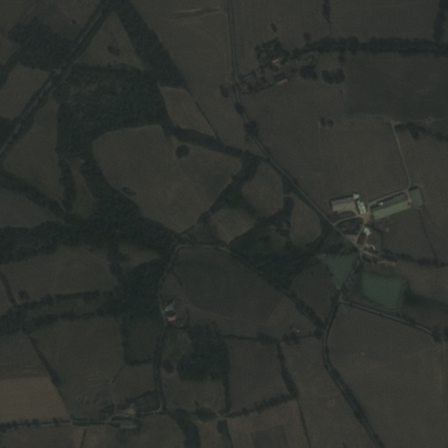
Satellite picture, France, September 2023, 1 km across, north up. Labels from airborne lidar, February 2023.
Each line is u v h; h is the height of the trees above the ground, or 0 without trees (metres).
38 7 0
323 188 0
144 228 11
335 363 0
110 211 16
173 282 0
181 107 0
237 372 0
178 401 0
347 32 0
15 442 0
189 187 0
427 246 0
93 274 0
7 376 0
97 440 0
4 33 0
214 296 0
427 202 0
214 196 0
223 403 0
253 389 0
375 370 0
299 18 0
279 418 0
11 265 0
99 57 0
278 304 0
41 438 0
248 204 0
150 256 0
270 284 11
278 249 0
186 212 0
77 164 0
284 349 0
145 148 0
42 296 0
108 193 6
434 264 12
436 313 0
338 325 0
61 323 0
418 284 0
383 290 0
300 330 0
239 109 16
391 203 0
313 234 0
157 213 0
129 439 0
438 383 0
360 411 12
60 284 0
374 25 0
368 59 0
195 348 16
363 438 0
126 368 0
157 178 0
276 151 0
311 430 0
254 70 0
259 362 0
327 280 0
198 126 0
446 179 0
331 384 0
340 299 0
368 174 0
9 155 0
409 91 0
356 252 10
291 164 0
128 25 13
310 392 0
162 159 0
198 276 0
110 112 7
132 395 0
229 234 0
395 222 0
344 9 0
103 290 0
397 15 0
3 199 0
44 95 10
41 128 0
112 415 0
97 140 0
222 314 0
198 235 0
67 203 17
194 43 0
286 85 0
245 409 7
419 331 0
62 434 0
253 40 0
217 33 0
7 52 0
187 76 0
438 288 0
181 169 0
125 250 0
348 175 0
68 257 0
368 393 0
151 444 0
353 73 0
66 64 15
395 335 0
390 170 0
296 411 0
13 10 0
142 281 7
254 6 0
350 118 0
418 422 0
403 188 0
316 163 0
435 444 0
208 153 0
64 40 8
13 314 18
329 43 19
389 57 0
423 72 0
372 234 0
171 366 17
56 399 0
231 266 0
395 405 0
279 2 0
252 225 0
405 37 0
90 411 0
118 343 0
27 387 0
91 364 0
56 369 0
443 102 0
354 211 0
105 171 0
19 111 0
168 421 0
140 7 0
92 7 0
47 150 0
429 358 0
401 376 0
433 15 0
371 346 0
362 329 0
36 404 0
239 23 0
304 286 0
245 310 0
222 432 0
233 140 0
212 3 0
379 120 0
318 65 0
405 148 0
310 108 0
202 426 0
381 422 0
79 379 0
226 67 0
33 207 0
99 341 0
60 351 0
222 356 7
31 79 0
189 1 0
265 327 0
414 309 0
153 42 12
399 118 0
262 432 0
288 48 0
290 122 0
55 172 0
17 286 0
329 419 0
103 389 0
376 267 0
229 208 0
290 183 7
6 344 0
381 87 0
